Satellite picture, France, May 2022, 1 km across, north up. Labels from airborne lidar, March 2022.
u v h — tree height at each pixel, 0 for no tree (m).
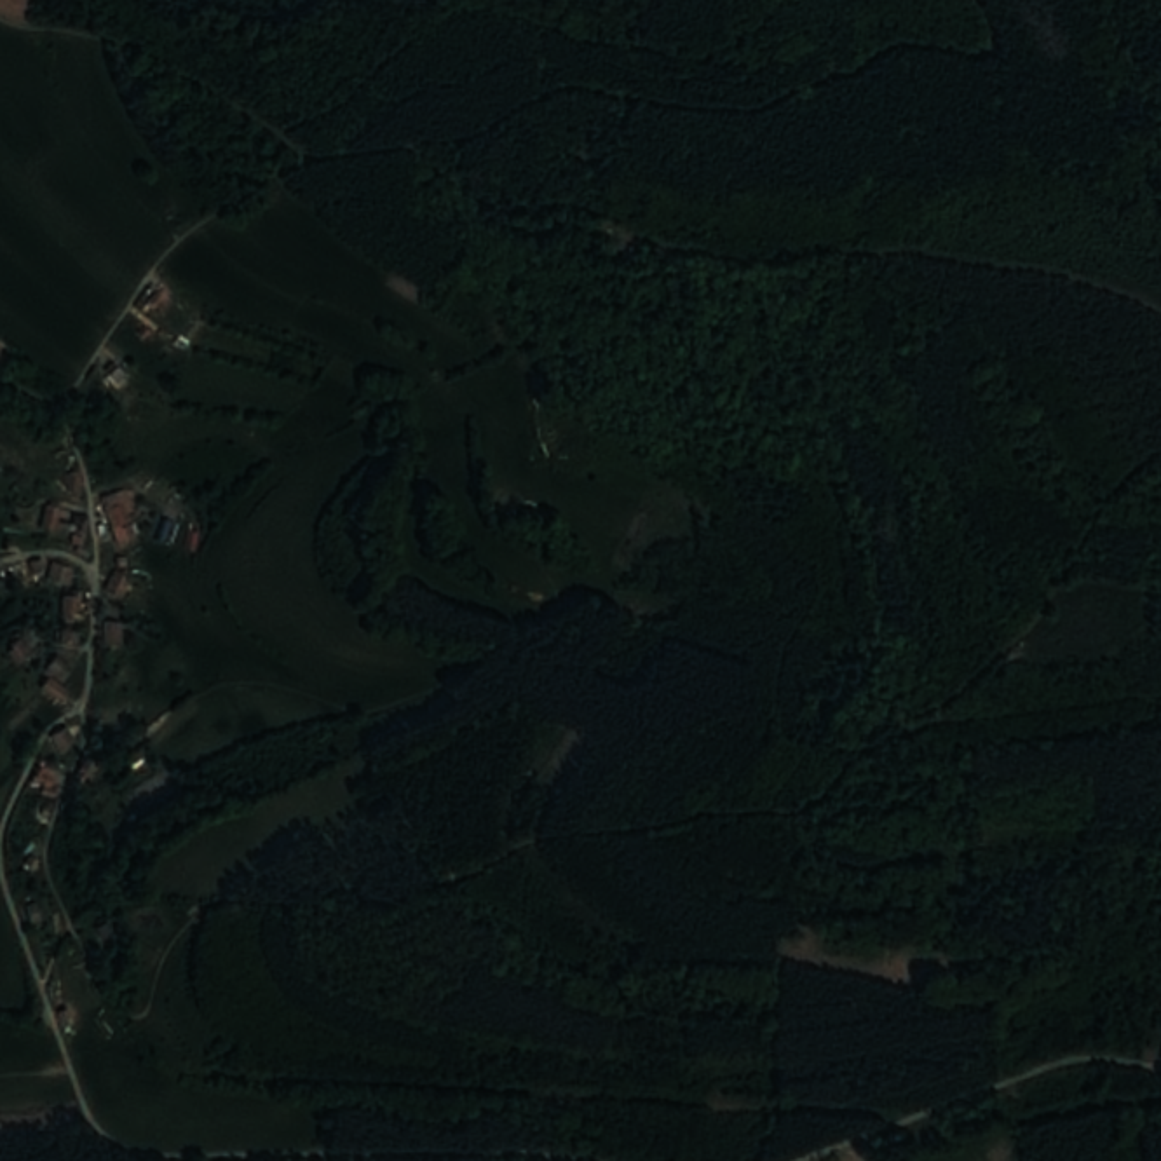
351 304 0
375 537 28
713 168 13
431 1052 13
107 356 0
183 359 0
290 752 7
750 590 13
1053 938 25
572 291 23
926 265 11
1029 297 10
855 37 13
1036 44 15
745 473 13
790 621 12
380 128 18
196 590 0
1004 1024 17
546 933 7
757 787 12
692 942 16
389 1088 19
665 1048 14
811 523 10
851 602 17
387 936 25
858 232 9
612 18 21
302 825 0
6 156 0
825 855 15
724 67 13
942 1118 20
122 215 0
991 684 12
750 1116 6
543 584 0
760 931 16
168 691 0
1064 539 13
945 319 9
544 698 25
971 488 13
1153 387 7
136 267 0
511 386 0
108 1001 21
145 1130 0
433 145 14
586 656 28
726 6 15
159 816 25
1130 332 7
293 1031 10
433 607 25
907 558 13
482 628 27
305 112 17
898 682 20
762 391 20
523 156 18
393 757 24
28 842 6
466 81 17
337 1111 28
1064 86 23
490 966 23
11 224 0
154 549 0
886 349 10
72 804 16
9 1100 0
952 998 28
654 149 14
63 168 0
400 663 0
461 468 0
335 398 0
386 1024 14
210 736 0
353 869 27
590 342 25
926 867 27
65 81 0
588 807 21
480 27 15
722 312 16
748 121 12
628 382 23
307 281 0
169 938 0
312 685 0
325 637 0
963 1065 24
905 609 21
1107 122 18
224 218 17
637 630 10
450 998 24
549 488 0
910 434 12
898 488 19
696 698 25
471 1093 18
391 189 15
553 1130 25
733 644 11
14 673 0
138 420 0
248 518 0
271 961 14
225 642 0
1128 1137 14
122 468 15
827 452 22
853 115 14
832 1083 28
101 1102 0
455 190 13
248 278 0
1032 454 24
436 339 0
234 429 0
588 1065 12
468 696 31
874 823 22
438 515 26
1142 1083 20
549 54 17
